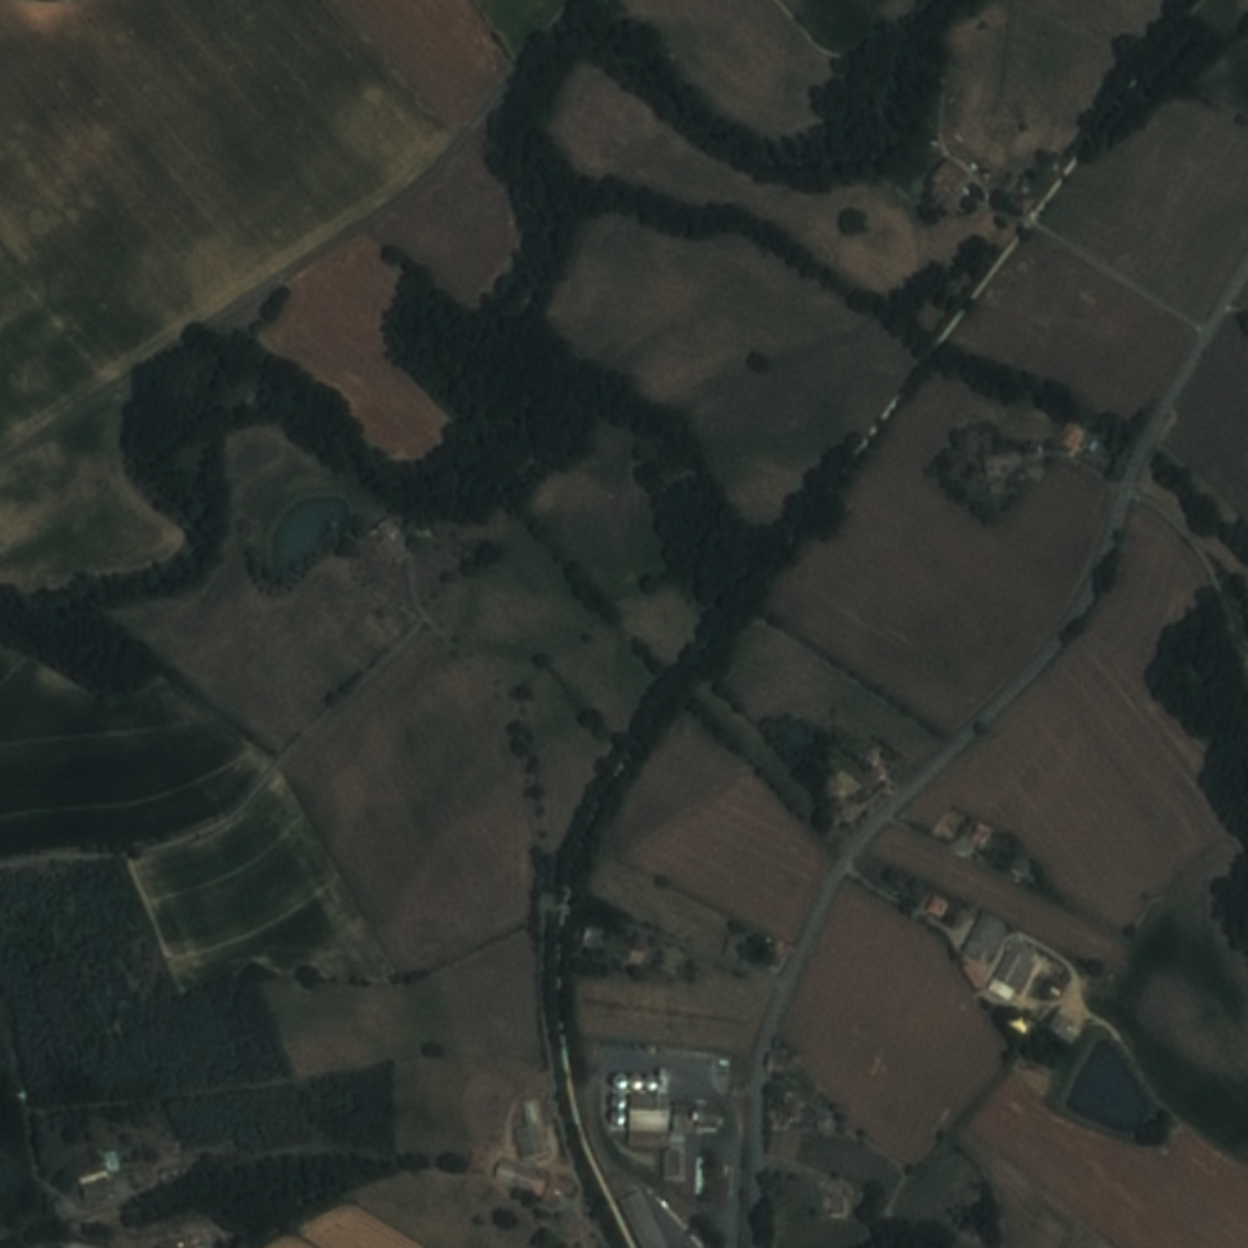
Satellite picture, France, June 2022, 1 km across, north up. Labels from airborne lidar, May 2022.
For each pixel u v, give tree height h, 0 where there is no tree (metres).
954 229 0
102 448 0
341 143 0
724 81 0
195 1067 14
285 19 0
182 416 30
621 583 0
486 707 0
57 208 0
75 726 0
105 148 0
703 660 15
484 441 20
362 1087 14
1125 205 0
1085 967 8
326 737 0
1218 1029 0
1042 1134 0
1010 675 0
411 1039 0
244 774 0
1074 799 0
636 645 8
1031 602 0
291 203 0
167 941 0
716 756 0
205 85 0
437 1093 0
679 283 0
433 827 0
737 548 21
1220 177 0
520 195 13
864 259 0
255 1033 15
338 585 0
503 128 14
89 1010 13
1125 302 0
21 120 0
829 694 0
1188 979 0
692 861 0
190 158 0
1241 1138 0
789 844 0
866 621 0
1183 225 0
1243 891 14
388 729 0
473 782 0
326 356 0
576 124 0
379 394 0
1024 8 0
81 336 0
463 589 0
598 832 11
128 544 0
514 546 0
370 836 0
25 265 0
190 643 0
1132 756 0
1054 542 0
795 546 7
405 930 0
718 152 15
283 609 0
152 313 0
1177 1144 0
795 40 0
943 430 0
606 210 14
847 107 18
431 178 0
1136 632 0
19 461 0
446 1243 0
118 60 0
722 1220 0
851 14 0
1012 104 0
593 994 0
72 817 0
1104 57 0
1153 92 17
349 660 0
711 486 18
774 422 0
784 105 0
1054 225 0
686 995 0
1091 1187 0
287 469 0
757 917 0
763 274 0
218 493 18
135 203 0
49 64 0
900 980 0
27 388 0
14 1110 16
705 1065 0
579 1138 7
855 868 0
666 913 0
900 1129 0
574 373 19
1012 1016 10
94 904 10
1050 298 0
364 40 0
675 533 18
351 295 0
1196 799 0
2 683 0
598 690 0
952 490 7
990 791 0
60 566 0
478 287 0
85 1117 13
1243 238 0
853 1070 0
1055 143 0
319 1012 0
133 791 0
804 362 0
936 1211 0
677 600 0
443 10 0
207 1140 13
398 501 12
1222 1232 0
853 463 12
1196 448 0
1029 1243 0
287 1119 10
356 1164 18
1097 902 0
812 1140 0
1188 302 0
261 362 16
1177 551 0
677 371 0
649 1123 0
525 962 0
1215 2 0
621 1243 7
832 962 0
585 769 0
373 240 0
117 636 19
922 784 0
